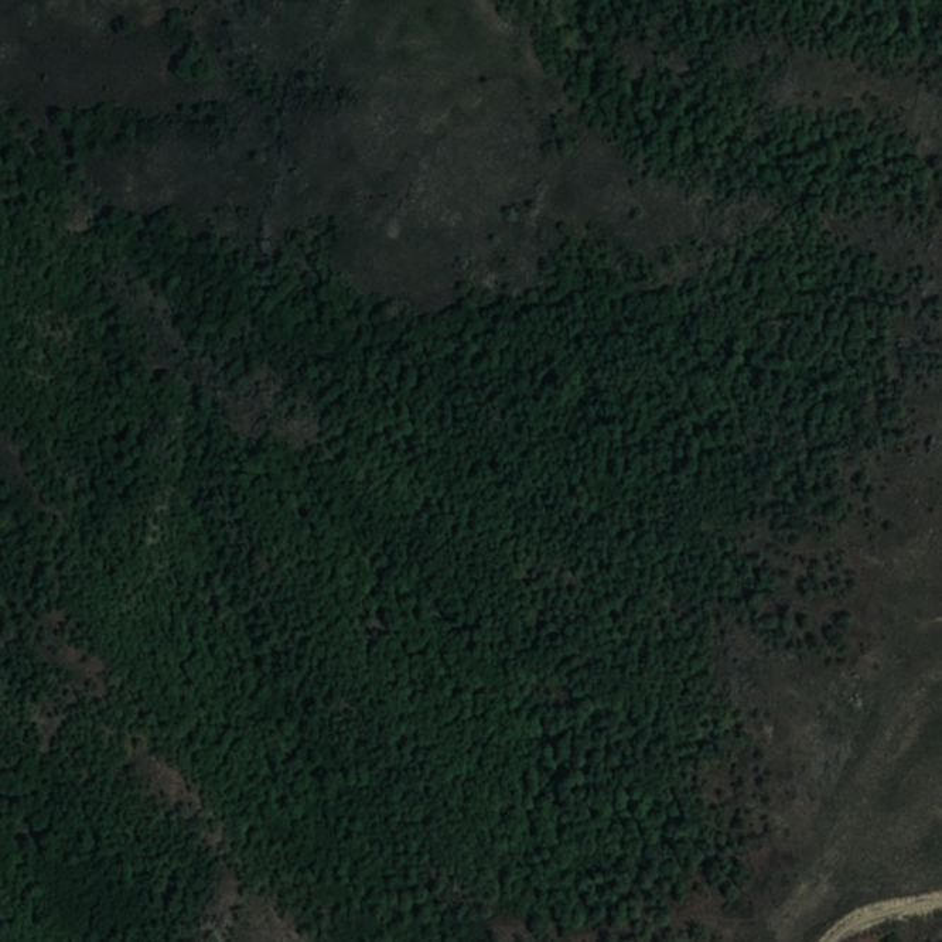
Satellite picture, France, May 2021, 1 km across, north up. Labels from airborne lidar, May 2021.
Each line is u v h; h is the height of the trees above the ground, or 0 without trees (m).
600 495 19
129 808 16
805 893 0
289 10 0
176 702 26
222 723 7
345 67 0
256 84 13
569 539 15
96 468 16
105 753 13
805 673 0
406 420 22
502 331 20
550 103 0
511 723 28
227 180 0
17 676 12
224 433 18
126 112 6
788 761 0
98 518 20
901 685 0
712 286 12
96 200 9
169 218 15
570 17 9
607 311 13
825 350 13
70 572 13
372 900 21
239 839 18
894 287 11
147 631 14
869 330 16
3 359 10
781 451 12
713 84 19
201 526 13
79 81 0
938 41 21
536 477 23
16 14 0
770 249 17
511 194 0
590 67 18
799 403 22
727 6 6
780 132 16
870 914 0
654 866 23
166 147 0
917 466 0
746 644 0
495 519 21
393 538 17
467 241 0
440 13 0
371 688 23
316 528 24
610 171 0
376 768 16
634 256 11
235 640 26
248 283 19
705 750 23
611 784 31
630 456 25
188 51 16
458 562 20
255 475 15
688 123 21
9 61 0
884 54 13
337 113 0
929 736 0
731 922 0
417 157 0
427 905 16
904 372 6
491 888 17
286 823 23
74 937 16
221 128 10
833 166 15
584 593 13
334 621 18
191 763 11
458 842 18
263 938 0
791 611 18
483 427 8
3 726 14
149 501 15
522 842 17
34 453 11
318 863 16
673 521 8
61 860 14
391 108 0
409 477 15
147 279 6
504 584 15
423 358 19
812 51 6
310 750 21
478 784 20
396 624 31
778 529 14
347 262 0
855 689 0
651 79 9
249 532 8
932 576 0
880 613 0
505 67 0
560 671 19
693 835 20
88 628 12
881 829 0
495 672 17
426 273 0
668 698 13
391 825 26
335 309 21
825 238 14
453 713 28
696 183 7
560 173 0
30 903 16
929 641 0
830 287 8
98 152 22
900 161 25
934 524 0
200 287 8
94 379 17
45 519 16
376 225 0
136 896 14
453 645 20
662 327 24
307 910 18
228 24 13
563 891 10
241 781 24
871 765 0
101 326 18
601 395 26
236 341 10
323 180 0
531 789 31
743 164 21
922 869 0
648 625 10
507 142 0
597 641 21
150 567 8
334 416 20
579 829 33
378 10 0
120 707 11
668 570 19
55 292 21
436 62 0
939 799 0
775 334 24
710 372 21
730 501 15
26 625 13
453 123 0
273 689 22
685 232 0
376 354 19
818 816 0
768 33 7
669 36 13
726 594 12
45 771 17
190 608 19
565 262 20
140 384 22
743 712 7
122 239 23
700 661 20
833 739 0
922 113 0
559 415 20
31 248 15
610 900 16
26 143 10
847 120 15
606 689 19
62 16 0
